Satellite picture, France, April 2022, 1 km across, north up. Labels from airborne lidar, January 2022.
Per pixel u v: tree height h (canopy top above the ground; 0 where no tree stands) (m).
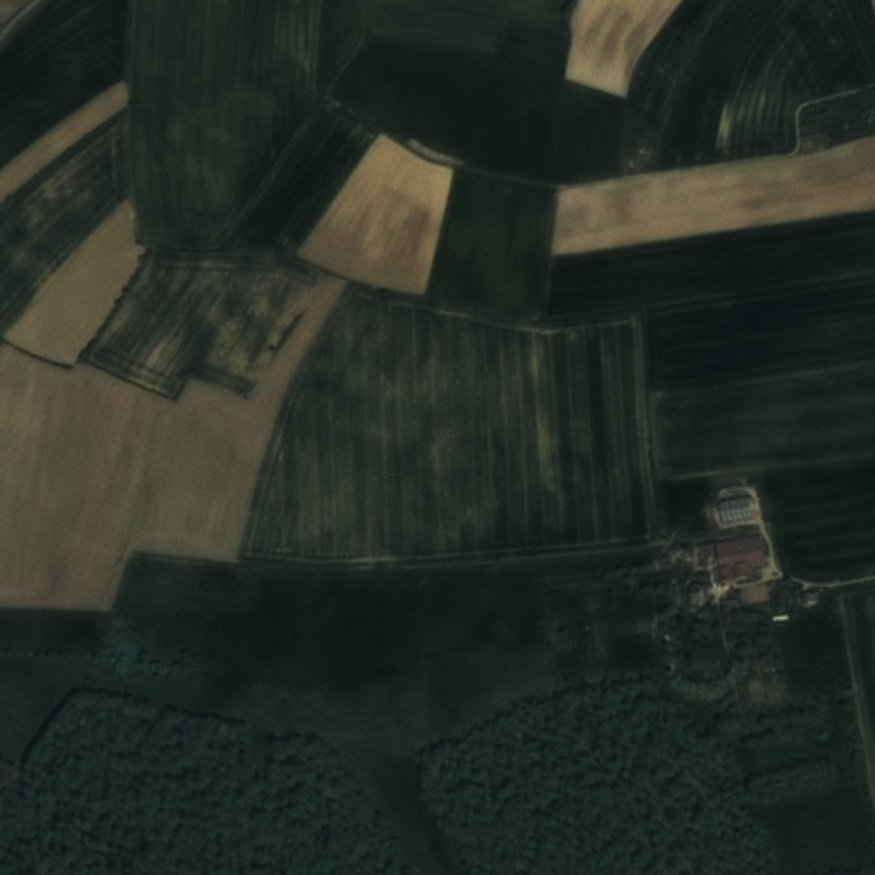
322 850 23
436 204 0
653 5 0
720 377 0
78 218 0
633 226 0
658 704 23
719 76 0
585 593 0
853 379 0
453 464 0
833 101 0
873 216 0
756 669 0
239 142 0
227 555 0
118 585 0
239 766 24
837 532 0
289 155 0
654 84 0
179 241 0
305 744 19
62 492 0
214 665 0
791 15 0
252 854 27
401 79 0
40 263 0
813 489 0
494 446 0
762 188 0
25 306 0
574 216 0
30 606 0
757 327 0
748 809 7
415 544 0
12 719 0
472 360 0
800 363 0
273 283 0
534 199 0
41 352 0
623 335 0
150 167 0
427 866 0
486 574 0
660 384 0
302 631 0
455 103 0
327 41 0
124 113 0
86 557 0
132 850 19
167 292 0
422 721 0
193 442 0
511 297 0
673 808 24
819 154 0
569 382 0
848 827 0
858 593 0
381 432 0
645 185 0
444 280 0
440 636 0
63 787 22
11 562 0
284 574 0
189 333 0
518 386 0
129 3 0
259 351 0
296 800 20
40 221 0
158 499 0
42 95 0
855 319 0
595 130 0
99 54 0
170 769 25
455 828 26
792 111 0
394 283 0
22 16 0
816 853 0
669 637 13
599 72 0
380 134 0
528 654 0
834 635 0
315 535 0
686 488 0
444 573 0
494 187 0
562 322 0
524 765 26
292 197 0
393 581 0
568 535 0
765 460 0
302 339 0
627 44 0
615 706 26
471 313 0
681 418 0
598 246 0
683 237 0
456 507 0
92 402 0
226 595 0
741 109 0
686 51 0
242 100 0
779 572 0
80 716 21
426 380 0
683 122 0
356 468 0
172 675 6
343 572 0
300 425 0
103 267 0
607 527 0
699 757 6
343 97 0
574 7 9
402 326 0
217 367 0
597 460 0
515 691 0
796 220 0
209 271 0
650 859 27
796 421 0
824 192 0
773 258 0
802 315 0
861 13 0
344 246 0
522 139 0
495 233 0
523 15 0
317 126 0
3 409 0
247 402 0
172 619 0
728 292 0
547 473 0
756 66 0
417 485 0
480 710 0
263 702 0
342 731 0
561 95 0
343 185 0
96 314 0
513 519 0
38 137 0
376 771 0
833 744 0
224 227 0
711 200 0
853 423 0
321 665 0
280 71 0
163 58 0
